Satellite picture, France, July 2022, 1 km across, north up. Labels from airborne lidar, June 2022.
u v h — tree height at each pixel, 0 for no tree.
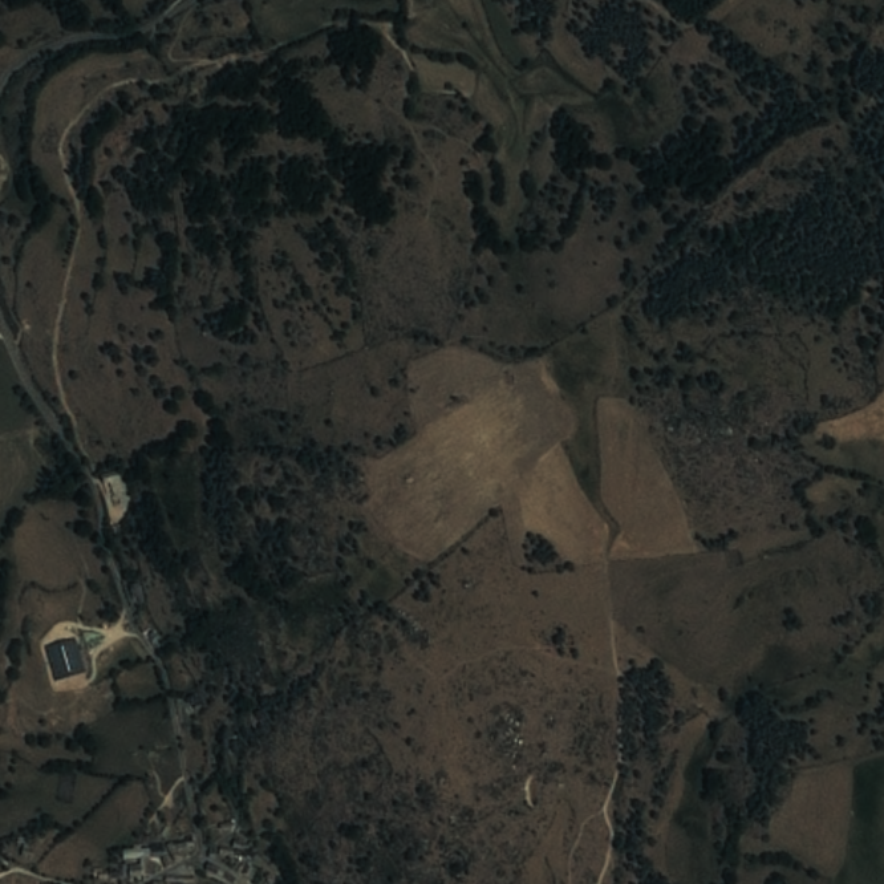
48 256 0
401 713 0
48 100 0
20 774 0
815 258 14
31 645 0
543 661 0
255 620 0
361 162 14
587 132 10
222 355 7
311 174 6
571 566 11
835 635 0
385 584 0
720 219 0
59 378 0
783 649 0
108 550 18
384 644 0
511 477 0
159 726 0
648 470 0
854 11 9
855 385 0
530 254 7
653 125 0
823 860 0
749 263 13
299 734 0
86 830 0
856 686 0
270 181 13
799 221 17
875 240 8
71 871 0
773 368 0
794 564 0
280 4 0
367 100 0
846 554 0
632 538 0
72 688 0
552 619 0
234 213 7
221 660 12
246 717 9
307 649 0
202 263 0
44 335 0
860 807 0
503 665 0
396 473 0
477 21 0
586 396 0
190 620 9
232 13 0
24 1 18
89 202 16
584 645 0
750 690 0
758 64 14
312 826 0
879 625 0
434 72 0
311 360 0
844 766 0
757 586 0
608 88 15
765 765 14
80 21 19
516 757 0
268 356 0
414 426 0
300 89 10
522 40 0
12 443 0
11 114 0
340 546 7
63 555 0
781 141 13
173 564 13
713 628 0
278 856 21
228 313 16
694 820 0
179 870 0
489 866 0
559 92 0
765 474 0
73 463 14
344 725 0
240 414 0
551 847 0
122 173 18
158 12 13
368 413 0
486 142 14
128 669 15
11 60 0
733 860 6
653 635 0
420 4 0
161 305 12
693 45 0
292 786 0
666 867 0
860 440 0
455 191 0
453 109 11
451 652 0
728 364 0
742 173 21
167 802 0
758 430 0
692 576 0
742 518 0
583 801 0
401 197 0
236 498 8
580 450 0
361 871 9
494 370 0
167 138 12
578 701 0
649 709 18
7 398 0
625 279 15
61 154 0
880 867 0
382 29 0
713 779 16
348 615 10
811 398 0
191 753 0
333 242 7
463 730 0
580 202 14
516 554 0
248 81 13
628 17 18
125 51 8
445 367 0
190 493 0
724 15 0
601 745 0
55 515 0
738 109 0
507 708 0
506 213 0
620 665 0
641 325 0
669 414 0
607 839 0
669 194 7
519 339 0
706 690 0
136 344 0
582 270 0
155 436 0
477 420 0
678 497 0
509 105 0
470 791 0
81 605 0
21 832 9
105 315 0
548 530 0
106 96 0
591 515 0
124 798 0
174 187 14
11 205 0
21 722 0
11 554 0
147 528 14
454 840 0
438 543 0
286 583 15
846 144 0
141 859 0
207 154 10
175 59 0
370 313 0
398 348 0
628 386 0
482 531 0
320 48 0
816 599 0
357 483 0
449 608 0
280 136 8
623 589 0
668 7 28
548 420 0
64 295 0
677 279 23
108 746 0
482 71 0
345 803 0
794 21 0
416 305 0
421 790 9
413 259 0
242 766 6
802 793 0
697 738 0
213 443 13
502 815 0
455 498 0
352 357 0
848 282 15
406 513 0
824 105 17
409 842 0
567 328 0
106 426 0
